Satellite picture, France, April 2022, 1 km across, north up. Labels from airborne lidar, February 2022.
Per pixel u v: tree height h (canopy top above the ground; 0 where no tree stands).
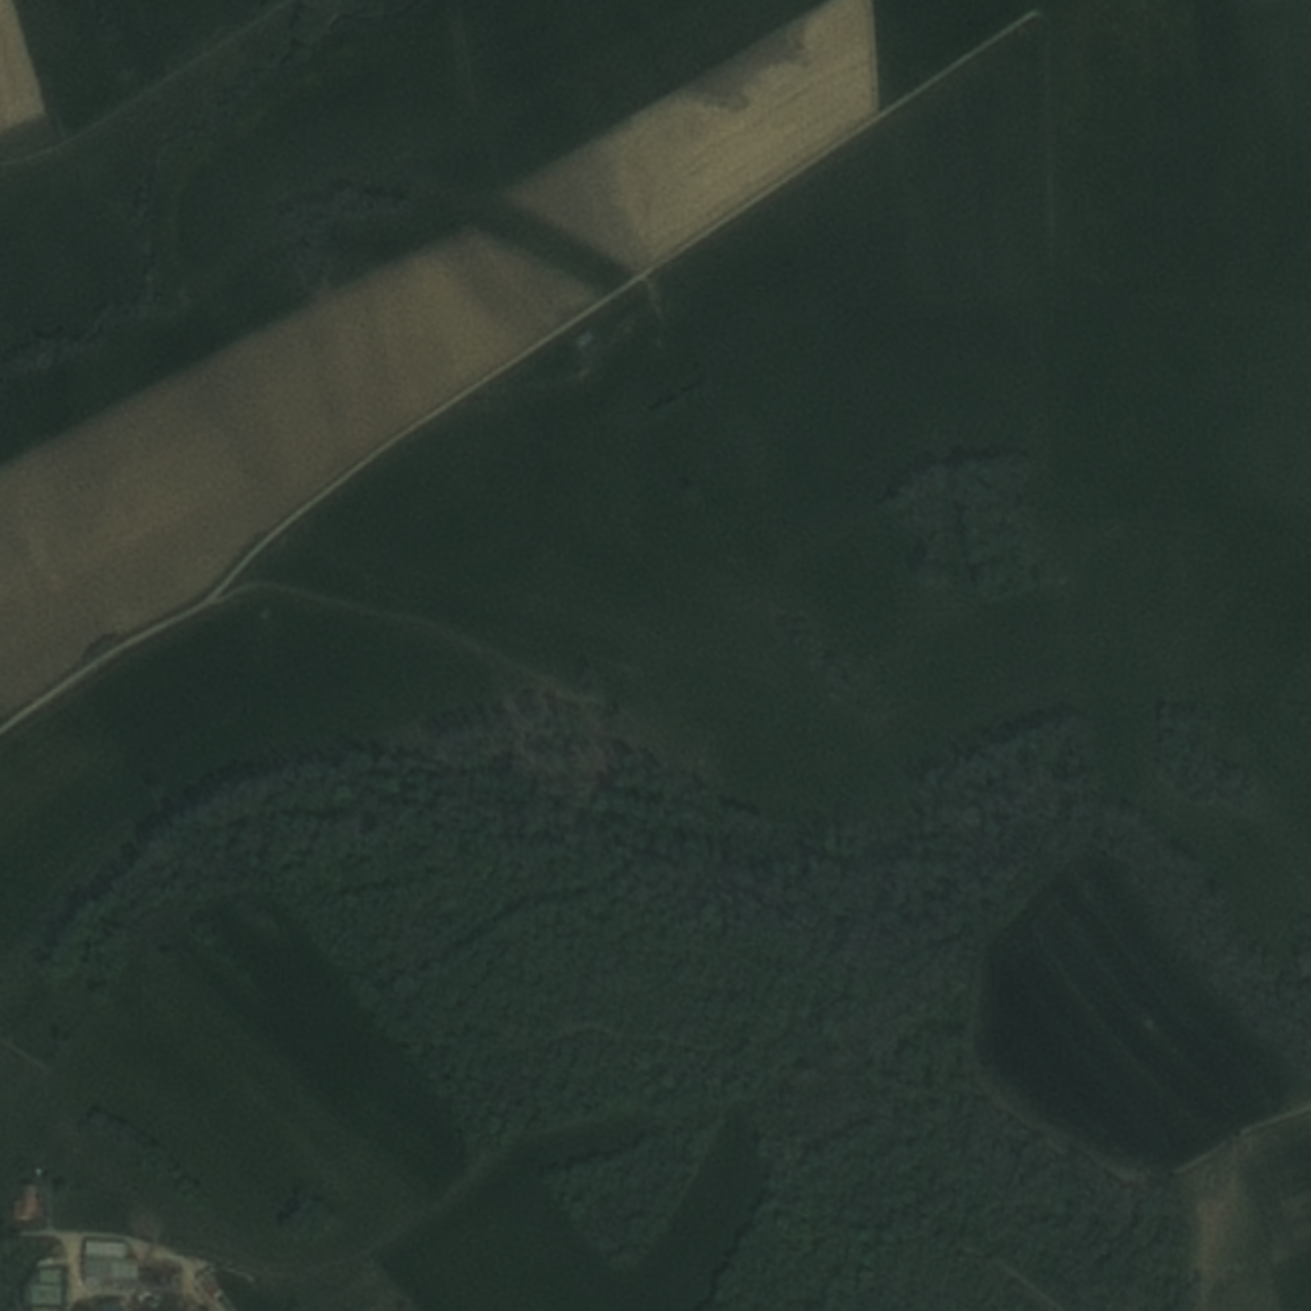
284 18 0
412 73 0
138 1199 0
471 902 7
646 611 0
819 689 0
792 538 0
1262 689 0
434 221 0
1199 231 0
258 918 12
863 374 0
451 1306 0
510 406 0
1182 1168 0
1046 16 0
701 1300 0
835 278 0
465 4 0
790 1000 18
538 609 0
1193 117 0
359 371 0
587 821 18
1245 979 20
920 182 0
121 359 0
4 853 0
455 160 0
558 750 36
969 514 22
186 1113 0
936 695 0
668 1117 14
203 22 0
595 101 0
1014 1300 7
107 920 8
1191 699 0
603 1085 15
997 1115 19
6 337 0
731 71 0
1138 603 0
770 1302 16
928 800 28
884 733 0
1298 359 0
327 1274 0
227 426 0
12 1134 0
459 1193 0
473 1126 12
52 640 0
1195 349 0
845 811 0
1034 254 0
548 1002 7
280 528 0
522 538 0
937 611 0
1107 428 0
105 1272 0
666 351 0
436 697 0
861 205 0
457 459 0
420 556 0
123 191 0
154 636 0
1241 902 0
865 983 24
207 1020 0
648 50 0
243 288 0
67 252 0
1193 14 0
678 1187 15
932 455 0
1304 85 0
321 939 11
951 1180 15
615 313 0
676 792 25
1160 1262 22
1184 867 27
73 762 0
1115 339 0
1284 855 0
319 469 0
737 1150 0
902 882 29
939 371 0
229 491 0
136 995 0
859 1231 12
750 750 0
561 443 0
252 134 0
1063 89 0
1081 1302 13
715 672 0
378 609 0
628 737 0
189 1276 0
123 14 0
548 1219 0
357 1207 0
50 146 0
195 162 0
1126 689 0
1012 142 0
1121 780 0
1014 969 0
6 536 0
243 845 16
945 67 0
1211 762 22
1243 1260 0
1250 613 0
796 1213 16
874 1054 25
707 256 0
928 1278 11
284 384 0
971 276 0
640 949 10
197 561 0
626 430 0
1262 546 0
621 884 20
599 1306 0
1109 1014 0
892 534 0
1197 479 0
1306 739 0
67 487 0
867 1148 18
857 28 0
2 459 0
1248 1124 0
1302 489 0
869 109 0
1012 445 0
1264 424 0
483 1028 13
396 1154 0
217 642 0
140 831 0
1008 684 0
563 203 0
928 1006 27
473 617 0
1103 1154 0
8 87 0
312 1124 0
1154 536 0
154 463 0
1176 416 0
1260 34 0
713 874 17
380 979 9
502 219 0
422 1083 0
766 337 0
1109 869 0
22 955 0
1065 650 0
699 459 0
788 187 0
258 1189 0
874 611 0
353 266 0
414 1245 0
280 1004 0
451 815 23
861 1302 6
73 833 0
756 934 18
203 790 0
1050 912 0
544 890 7
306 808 22
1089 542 0
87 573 0
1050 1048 0
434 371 0
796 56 0
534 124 0
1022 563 20
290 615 0
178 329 0
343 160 0
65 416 0
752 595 0
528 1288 0
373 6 13
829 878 29
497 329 0
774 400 0
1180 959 0
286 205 0
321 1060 0
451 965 16
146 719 0
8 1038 0
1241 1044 0
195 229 0
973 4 0
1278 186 0
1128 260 0
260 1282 0
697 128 0
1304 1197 0
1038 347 0
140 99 0
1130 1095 0
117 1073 0
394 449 0
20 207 0
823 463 0
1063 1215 15
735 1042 9
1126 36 0
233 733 0
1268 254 0
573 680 0
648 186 0
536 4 0
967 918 15
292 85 0
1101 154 0
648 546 0
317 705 0
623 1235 9
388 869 12
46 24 0
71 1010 0
